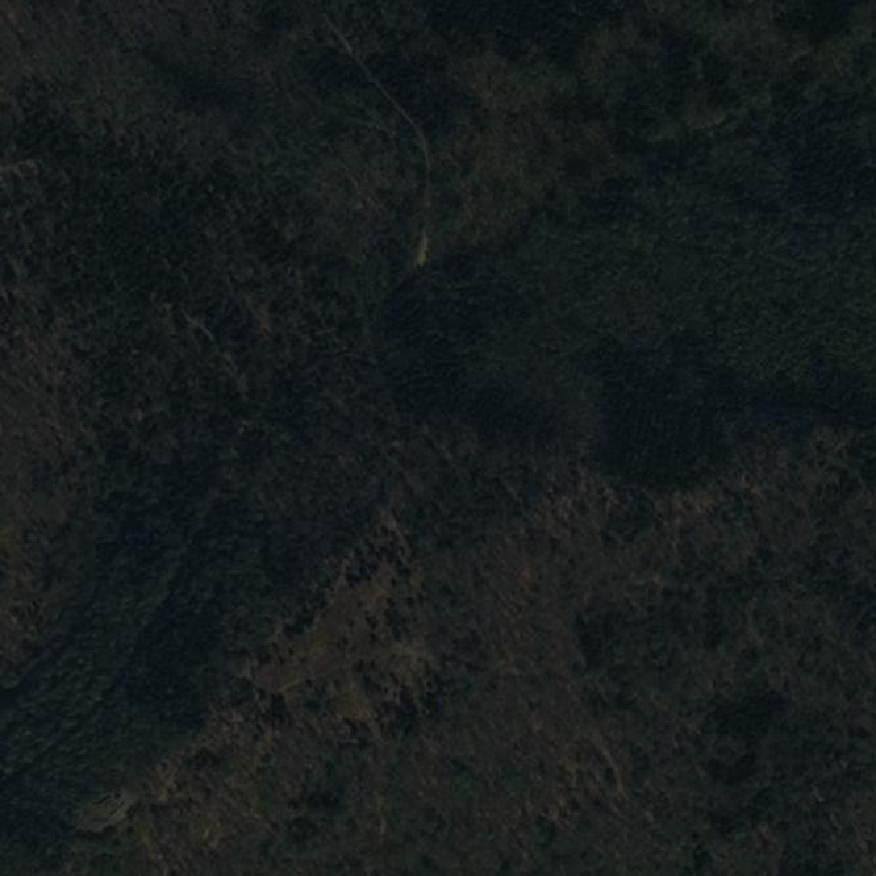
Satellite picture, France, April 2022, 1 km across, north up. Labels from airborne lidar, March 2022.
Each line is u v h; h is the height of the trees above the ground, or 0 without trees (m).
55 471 37
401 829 22
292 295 26
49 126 15
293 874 32
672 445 27
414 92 22
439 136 18
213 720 18
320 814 28
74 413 40
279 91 19
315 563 19
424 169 18
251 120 17
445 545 27
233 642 20
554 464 21
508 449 23
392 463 27
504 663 31
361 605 10
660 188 28
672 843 24
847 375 30
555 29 25
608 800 23
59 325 32
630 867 6
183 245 25
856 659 7
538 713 29
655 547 20
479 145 19
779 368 25
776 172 31
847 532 27
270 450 22
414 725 9
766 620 21
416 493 28
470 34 23
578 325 31
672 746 30
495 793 28
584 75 18
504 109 21
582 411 23
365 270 20
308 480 25
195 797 8
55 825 18
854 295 23
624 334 27
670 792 26
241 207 22
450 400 23
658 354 28
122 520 22
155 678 18
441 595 26
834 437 21
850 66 22
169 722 18
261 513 24
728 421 22
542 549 27
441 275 29
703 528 23
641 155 20
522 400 23
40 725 29
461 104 23
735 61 22
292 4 16
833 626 23
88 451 40
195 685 19
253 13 26
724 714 23
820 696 22
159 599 27
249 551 25
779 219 32
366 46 29
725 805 31
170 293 27
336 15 27
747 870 22
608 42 17
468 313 26
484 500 24
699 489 19
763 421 26
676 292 33
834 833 21
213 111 20
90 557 32
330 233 14
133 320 31
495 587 18
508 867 29
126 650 25
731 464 18
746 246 29
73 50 24
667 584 10
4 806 19
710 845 23
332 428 28
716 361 24
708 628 18
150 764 17
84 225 32
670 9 18
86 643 30
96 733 22
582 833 32
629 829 26
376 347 21
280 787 31
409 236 22
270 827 34
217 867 34
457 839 29
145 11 29
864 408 21
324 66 21
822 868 21
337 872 29
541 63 18
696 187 34
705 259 30
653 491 20
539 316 29
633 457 27
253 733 28
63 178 29
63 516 34
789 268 28
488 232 25
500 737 28
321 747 30
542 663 31
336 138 26
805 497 24
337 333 16
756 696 21
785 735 25
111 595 27
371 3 32
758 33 15
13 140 25
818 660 20
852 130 30
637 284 28
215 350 25
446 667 27
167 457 34
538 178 18
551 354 29
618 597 19
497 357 28
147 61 18
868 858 17
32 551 36
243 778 17
